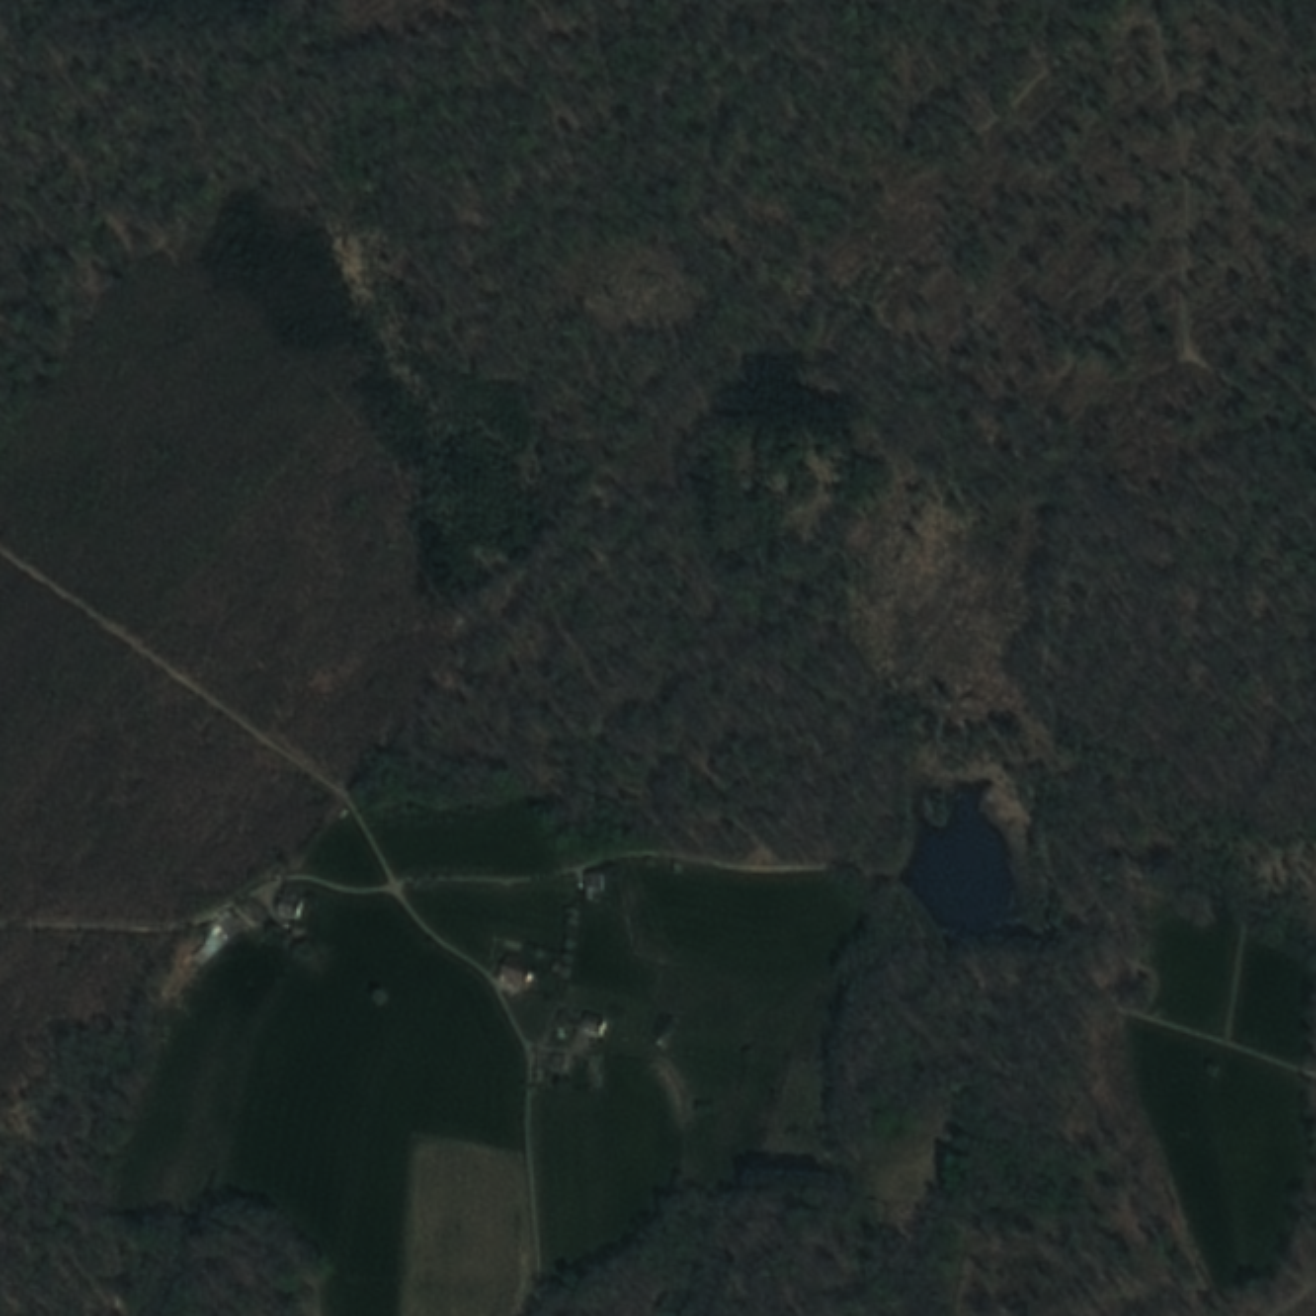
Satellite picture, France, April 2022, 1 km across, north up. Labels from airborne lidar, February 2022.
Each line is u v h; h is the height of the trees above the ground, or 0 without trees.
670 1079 0
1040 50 26
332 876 0
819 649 27
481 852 0
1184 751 29
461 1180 0
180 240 26
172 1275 24
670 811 27
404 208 26
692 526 28
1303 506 27
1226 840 22
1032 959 28
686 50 29
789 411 26
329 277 7
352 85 27
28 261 28
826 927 0
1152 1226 28
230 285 8
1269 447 30
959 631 0
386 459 8
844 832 29
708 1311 19
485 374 24
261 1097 0
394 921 0
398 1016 0
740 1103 0
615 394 25
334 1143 0
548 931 0
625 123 22
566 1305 30
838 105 27
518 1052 0
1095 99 26
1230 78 27
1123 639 29
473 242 28
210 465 14
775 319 30
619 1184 0
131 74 28
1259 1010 0
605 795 28
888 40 26
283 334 7
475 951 0
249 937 0
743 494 16
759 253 30
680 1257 25
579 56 26
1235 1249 0
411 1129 0
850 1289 33
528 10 26
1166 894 31
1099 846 29
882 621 0
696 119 27
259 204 7
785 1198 25
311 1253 30
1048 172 29
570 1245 0
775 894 0
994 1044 32
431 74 29
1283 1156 0
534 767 31
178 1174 0
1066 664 31
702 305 18
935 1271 33
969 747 13
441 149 29
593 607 29
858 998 23
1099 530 31
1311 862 12
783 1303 30
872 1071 33
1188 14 27
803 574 27
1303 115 0
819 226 27
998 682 0
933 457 26
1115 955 32
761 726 34
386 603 8
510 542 11
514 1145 0
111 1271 29
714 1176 0
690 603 27
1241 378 28
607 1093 0
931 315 25
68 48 29
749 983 0
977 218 30
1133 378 29
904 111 28
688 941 0
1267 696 31
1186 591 27
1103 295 0
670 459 9
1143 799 23
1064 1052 34
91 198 30
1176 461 10
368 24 0
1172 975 0
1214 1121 0
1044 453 28
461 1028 0
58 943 8
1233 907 24
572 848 22
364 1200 0
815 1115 0
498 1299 0
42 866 8
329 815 9
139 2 21
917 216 0
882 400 25
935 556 0
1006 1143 33
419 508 11
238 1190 0
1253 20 27
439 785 26
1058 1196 27
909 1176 0
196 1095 0
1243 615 29
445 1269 0
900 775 28
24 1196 23
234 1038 0
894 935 25
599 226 28
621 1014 9
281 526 10
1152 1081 0
